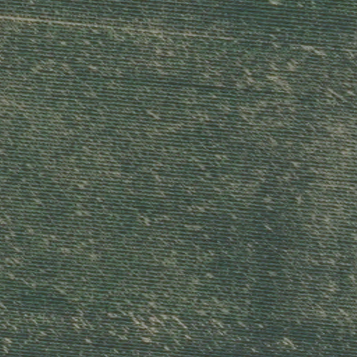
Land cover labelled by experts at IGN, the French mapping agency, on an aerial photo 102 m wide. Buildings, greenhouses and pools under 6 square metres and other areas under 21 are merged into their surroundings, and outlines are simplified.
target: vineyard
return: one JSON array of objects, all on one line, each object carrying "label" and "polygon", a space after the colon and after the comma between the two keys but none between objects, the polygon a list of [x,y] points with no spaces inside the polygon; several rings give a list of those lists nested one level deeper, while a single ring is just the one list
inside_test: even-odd
[{"label": "vineyard", "polygon": [[0,357],[357,357],[357,0],[0,0]]}]

